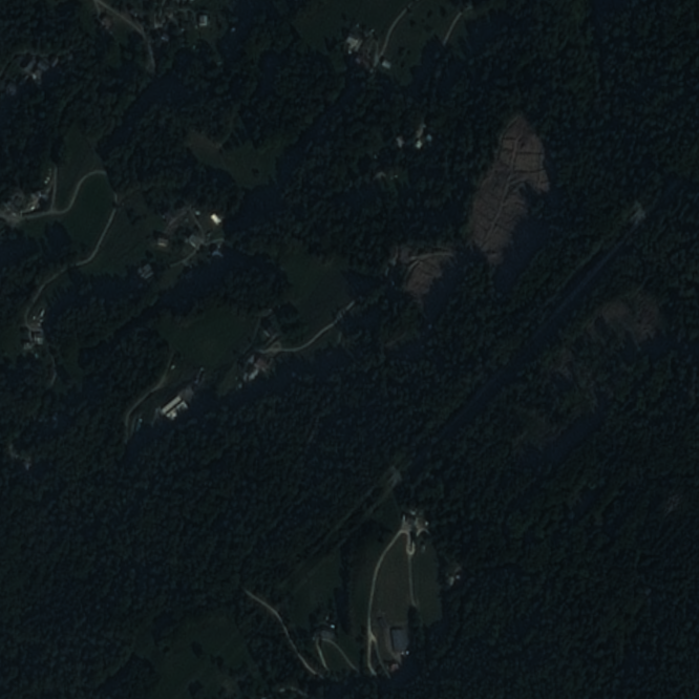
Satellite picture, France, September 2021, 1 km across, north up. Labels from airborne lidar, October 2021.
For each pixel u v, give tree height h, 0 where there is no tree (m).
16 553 31
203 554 20
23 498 28
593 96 18
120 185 24
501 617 19
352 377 25
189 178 26
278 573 26
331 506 23
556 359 18
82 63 25
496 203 0
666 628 30
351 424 25
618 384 29
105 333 21
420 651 8
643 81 17
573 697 18
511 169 0
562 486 19
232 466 35
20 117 22
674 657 25
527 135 0
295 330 15
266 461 27
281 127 26
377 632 0
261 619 8
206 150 0
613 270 26
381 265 8
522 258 0
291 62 26
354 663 0
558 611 24
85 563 24
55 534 23
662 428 25
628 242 18
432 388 18
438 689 21
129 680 24
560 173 27
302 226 36
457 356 33
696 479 27
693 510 26
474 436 20
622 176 27
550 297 18
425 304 0
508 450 26
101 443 15
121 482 23
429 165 14
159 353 31
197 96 22
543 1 25
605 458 27
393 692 18
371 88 23
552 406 28
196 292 9
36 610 30
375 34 0
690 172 22
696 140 25
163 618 0
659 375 26
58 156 28
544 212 16
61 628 33
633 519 22
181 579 18
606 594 18
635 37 22
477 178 23
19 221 0
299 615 0
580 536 19
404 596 0
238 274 29
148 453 26
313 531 24
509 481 28
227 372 0
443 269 0
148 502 24
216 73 28
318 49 0
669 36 29
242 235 28
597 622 28
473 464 28
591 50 14
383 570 0
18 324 18
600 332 0
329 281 0
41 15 25
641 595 27
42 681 25
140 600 30
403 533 0
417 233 12
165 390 0
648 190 26
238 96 28
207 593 26
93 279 0
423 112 22
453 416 10
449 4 0
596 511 22
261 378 0
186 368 0
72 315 26
